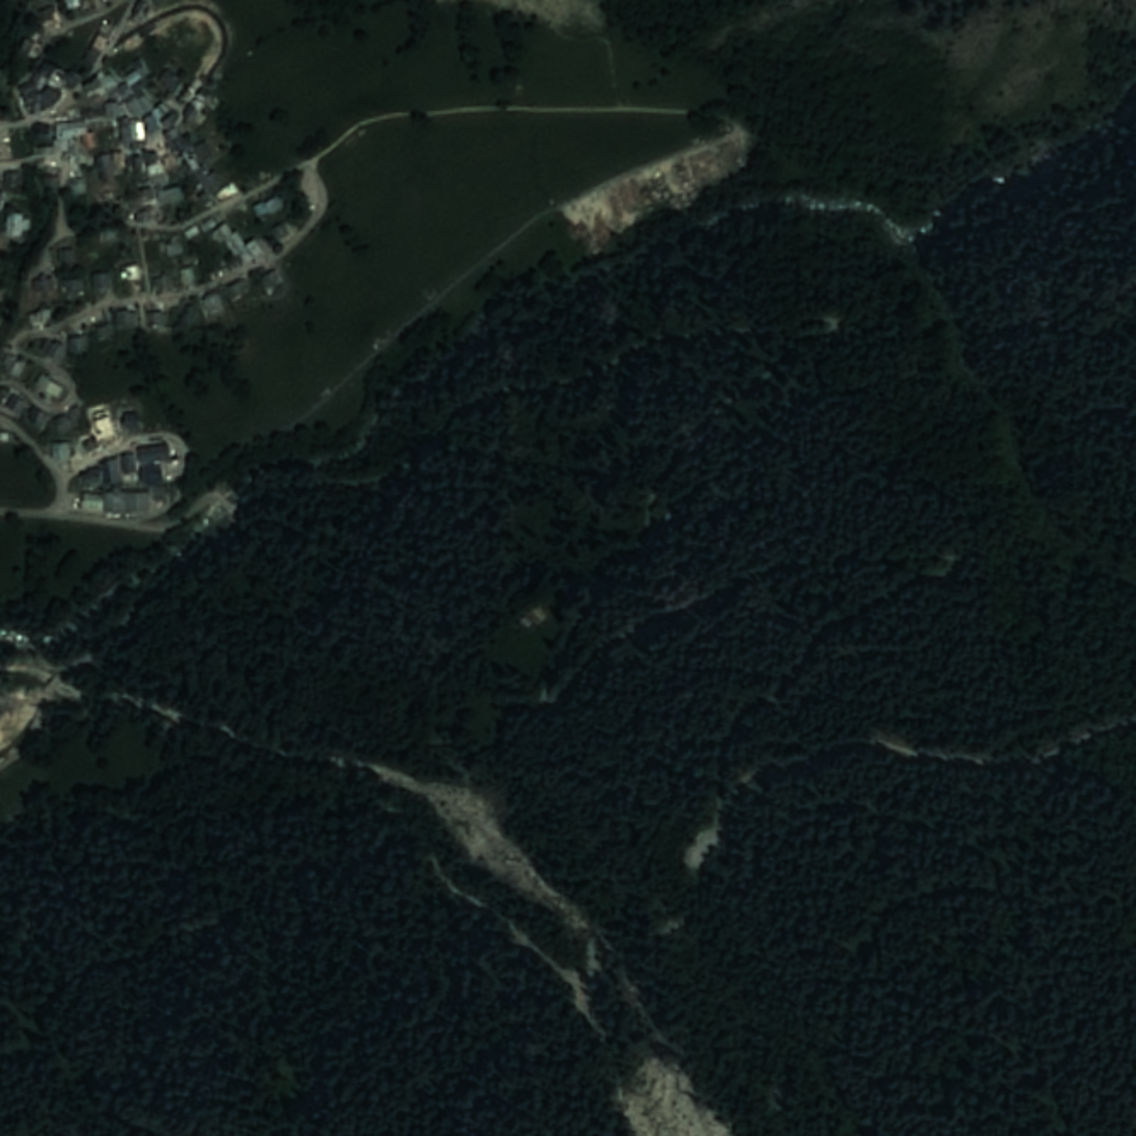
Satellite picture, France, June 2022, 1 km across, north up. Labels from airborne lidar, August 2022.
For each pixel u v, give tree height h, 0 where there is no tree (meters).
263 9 0
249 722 30
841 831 32
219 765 19
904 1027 33
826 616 28
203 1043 25
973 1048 20
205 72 0
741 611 27
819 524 34
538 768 26
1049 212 31
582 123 0
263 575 10
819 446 35
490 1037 13
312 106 0
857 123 10
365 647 30
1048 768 20
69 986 22
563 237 0
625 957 10
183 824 20
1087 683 11
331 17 11
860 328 12
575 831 15
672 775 29
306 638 22
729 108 14
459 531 41
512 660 0
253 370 0
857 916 26
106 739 21
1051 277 28
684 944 6
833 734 22
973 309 14
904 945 27
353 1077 17
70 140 0
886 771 25
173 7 0
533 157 0
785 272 20
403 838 7
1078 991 30
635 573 22
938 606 27
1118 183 26
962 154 32
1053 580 11
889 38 6
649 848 23
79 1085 12
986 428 19
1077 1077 36
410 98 0
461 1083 10
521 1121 29
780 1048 13
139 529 0
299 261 0
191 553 9
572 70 0
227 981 38
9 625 19
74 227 12
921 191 20
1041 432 22
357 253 17
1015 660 33
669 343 11
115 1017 23
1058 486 12
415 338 22
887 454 9
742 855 12
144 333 11
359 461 7
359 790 15
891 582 30
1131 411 35
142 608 18
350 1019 8
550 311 9
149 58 0
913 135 7
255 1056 11
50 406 0
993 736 33
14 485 0
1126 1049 23
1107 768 12
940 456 20
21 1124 27
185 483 17
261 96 0
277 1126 23
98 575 19
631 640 8
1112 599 12
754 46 21
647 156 0
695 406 41
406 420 14
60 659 22
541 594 20
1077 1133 21
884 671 27
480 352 32
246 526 15
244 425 0
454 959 28
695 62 21
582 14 0
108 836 38
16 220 0
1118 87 19
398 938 15
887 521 34
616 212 0
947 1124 32
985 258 31
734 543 32
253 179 0
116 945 16
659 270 28
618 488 25
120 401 0
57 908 28
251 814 18
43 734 17
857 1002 31
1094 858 25
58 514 0
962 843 18
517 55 21
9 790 0
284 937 27
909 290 21
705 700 29
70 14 14
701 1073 7
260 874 31
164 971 10
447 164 0
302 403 0
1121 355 23
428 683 17
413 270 0
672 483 21
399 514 37
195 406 0
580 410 23
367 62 0
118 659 12
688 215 11
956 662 30
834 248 15
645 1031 8
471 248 0
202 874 25
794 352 13
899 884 31
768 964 11
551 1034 34
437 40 0
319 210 0
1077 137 16
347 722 24
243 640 25
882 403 23
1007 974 31
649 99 0
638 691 25
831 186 11
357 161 0
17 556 0
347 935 20
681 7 20
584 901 9
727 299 31
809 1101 10
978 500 13
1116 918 18
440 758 10
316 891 27
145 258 0
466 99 0
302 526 21
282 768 23
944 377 13
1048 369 32
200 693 15
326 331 0
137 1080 10
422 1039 23
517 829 15
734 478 30
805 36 10
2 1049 25
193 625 25
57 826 25
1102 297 18
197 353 13
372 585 34
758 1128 8
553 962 10
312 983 26
